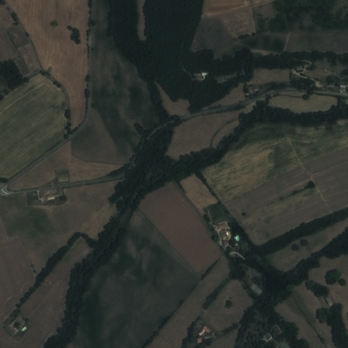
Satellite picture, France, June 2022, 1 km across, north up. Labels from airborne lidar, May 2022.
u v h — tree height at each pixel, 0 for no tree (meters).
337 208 0
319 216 0
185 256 0
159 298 0
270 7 0
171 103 0
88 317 0
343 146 0
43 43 0
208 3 0
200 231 0
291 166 0
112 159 0
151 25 19
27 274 0
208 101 21
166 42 11
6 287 0
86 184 0
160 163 26
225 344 0
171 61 14
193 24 15
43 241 0
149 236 0
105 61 0
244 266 7
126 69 0
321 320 30
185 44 13
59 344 18
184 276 0
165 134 19
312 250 0
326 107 0
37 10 0
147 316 0
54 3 0
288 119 18
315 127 0
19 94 0
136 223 0
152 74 17
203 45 0
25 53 0
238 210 0
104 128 0
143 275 0
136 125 15
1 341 0
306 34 0
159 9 22
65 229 0
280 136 0
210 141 0
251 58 6
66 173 0
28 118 0
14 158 0
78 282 19
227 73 18
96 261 11
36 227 0
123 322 0
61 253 20
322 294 17
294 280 16
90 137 0
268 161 0
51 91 0
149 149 17
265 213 0
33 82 0
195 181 0
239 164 0
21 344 0
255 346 10
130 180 21
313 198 0
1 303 0
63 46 0
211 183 0
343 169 0
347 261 0
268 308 21
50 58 0
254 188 0
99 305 0
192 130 0
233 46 0
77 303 19
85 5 0
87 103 9
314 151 0
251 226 0
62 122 0
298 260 0
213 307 0
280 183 0
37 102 0
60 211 0
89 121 0
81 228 0
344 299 0
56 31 0
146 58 24
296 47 0
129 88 0
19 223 0
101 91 0
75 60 0
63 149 0
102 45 0
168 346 0
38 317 0
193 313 0
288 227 0
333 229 0
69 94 0
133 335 0
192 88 9
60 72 0
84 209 0
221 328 0
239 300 0
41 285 14
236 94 0
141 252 0
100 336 0
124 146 0
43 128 0
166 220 0
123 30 26
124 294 0
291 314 0
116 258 0
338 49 0
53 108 0
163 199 0
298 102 0
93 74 0
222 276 0
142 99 0
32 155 0
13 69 18
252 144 0
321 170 0
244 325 16
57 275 0
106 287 0
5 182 12
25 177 0
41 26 0
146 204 0
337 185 0
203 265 0
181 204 0
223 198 0
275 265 0
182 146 0
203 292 0
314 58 16
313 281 15
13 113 0
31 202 0
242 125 22
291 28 0
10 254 0
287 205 0
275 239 8
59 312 0
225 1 0
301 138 0
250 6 0
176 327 0
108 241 15
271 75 0
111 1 17
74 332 15
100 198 0
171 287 0
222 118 0
